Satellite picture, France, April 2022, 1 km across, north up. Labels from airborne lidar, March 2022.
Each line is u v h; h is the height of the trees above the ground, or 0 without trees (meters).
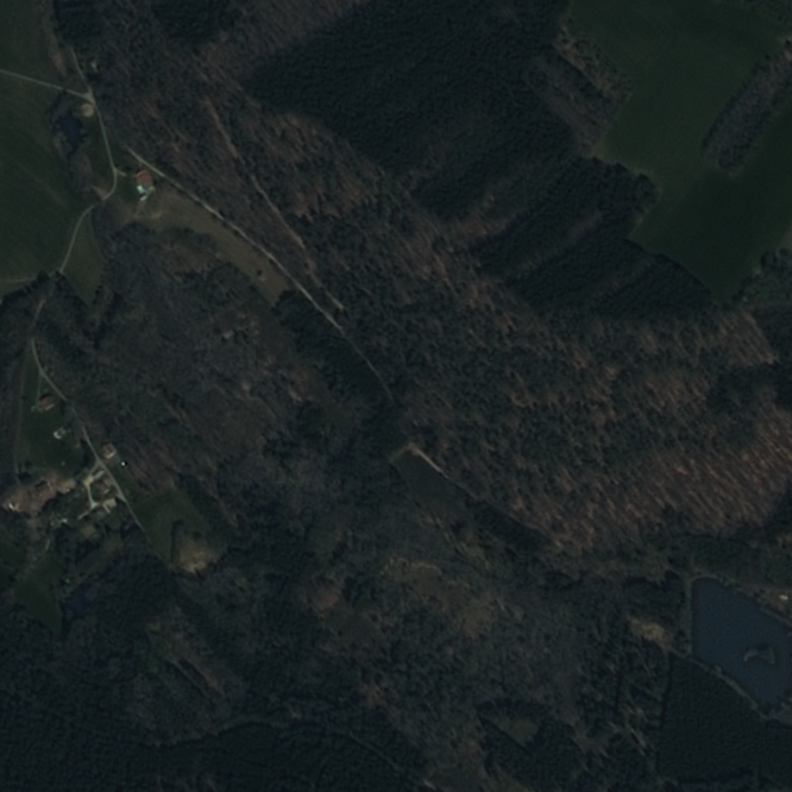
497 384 27
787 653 0
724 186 0
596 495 26
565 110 24
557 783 30
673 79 0
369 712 28
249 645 20
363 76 26
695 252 0
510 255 29
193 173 28
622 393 26
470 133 13
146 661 27
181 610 19
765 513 29
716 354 22
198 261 0
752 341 27
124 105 24
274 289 0
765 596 11
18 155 0
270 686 21
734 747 23
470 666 18
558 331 22
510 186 17
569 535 28
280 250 25
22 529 19
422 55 23
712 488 30
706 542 18
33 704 26
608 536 26
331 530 21
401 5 20
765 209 0
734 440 25
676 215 0
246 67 26
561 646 17
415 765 24
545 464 23
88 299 0
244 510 17
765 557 19
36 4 0
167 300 19
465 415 22
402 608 15
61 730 26
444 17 24
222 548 23
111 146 0
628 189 22
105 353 25
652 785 29
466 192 25
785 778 23
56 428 0
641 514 32
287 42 28
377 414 28
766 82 21
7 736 31
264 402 14
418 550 17
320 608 27
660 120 0
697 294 25
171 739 20
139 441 24
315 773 13
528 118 25
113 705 32
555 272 26
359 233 19
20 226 0
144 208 0
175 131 27
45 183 0
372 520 15
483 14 25
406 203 20
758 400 28
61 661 28
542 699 24
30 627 21
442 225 23
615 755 15
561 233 24
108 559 0
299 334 17
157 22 29
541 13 29
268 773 21
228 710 27
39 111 0
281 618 28
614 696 23
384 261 21
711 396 26
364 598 29
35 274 0
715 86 0
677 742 19
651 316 22
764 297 24
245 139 27
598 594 24
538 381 25
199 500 20
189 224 0
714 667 0
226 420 0
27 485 17
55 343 12
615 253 26
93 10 22
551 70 24
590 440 28
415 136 24
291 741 16
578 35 13
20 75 0
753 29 0
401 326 22
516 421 29
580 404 27
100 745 25
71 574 8
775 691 0
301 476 10
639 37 0
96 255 0
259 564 27
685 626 21
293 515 23
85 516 0
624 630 25
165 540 0
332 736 30
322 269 25
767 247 0
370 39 27
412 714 21
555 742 25
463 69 22
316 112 25
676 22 0
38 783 26
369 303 26
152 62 25
